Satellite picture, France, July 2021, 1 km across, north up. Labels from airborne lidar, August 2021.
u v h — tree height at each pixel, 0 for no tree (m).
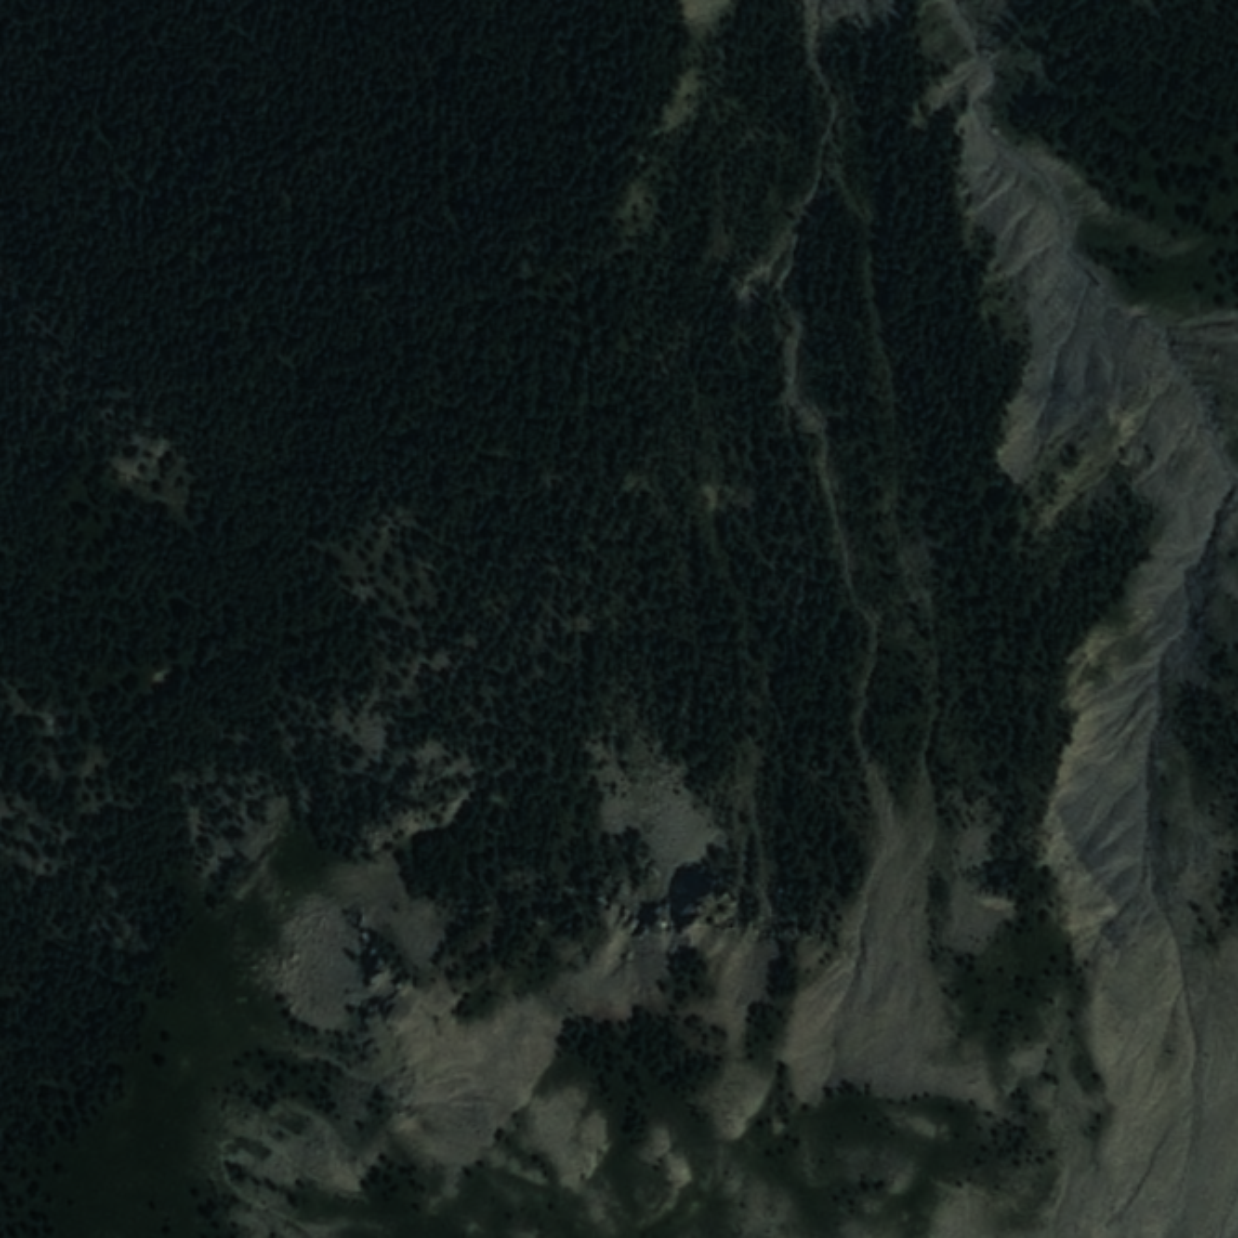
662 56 23
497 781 12
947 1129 0
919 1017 0
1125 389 0
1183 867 0
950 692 16
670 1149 0
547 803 19
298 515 22
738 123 8
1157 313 0
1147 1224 0
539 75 25
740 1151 0
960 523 17
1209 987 0
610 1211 0
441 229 21
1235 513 0
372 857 8
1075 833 0
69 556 16
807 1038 0
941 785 6
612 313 23
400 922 0
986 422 20
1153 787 0
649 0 27
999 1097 0
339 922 0
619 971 0
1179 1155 0
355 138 26
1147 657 0
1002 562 16
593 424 24
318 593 15
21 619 21
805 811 15
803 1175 0
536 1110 0
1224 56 9
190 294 24
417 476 23
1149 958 0
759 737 13
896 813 0
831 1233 0
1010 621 12
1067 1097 0
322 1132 0
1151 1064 0
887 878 0
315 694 11
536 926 9
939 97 0
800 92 8
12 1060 10
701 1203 0
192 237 26
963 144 9
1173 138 23
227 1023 0
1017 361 15
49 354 14
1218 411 0
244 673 22
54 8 27
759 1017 12
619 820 0
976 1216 0
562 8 23
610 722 7
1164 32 15
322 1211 0
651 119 16
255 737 14
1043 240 0
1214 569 0
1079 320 0
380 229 24
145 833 16
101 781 10
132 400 10
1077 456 11
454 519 17
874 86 19
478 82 14
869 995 0
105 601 21
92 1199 0
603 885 11
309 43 25
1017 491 12
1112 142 26
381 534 9
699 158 11
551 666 18
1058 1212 0
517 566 10
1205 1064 0
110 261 27
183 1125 0
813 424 0
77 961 14
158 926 14
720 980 0
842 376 20
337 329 22
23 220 30
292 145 22
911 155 20
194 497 7
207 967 0
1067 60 20
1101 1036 0
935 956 7
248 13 25
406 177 23
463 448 19
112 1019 20
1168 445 0
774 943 0
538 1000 0
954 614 7
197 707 23
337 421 22
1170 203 0
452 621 11
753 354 17
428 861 21
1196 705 13
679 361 10
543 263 17
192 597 20
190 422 21
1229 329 0
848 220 19
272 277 22
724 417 10
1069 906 0
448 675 14
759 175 10
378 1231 0
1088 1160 0
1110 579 16
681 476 7
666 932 0
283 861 0
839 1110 0
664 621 11
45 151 26
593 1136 0
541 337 23
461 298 20
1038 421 0
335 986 0
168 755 21
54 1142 14
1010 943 0
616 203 18
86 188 23
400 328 19
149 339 16
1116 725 0
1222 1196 0
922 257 18
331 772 12
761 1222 0
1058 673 13
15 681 18
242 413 24
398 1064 0
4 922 20
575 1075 0
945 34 0
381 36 27
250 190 27
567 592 18
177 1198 0
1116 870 0
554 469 15
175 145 20
